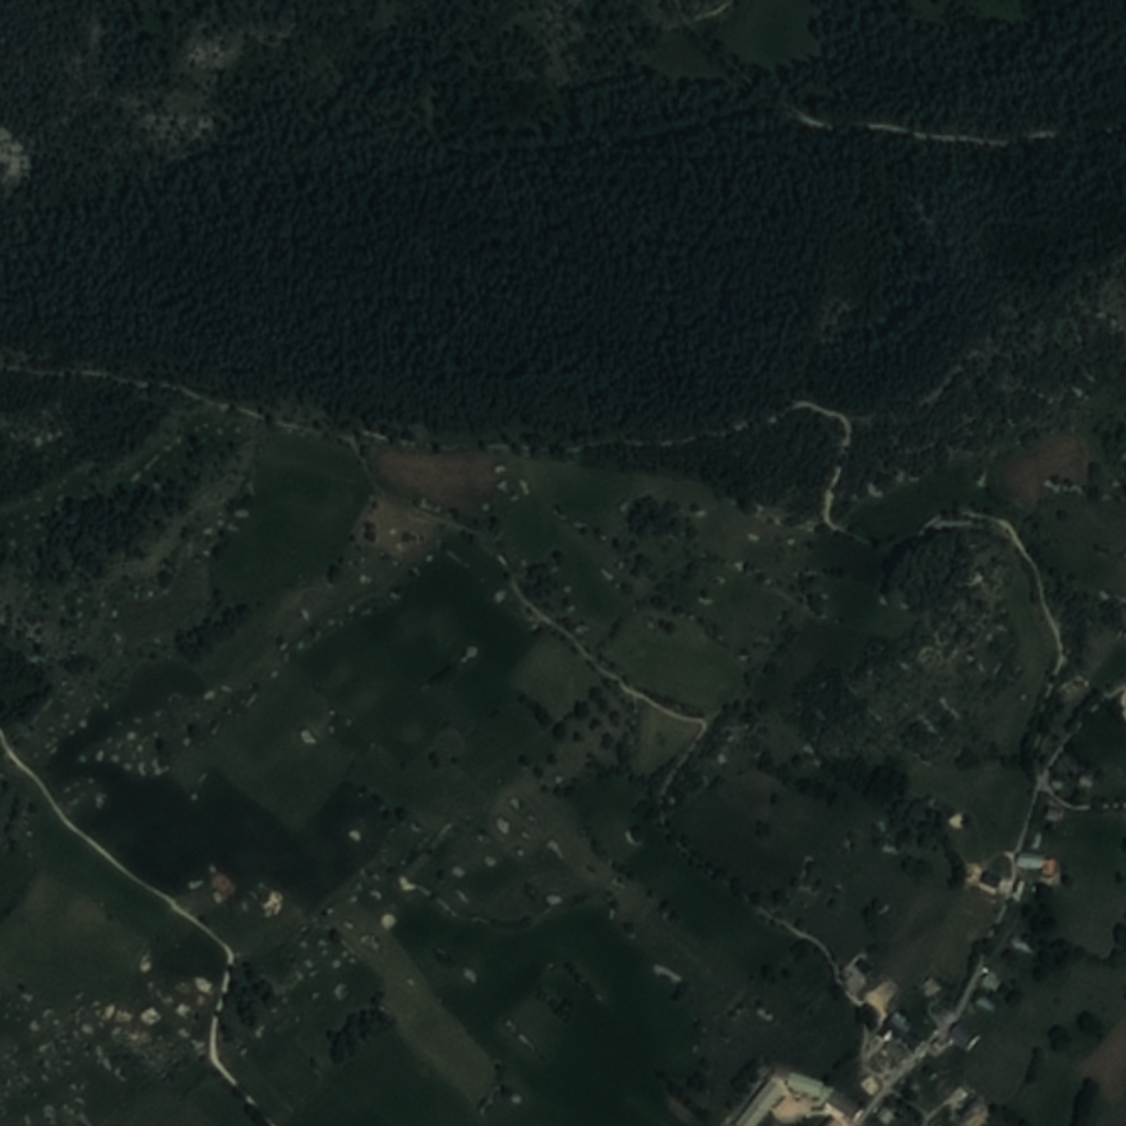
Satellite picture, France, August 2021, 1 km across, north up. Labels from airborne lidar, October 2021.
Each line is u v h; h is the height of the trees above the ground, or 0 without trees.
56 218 10
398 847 0
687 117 27
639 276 21
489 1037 0
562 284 14
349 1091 0
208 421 0
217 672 0
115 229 23
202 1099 0
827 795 9
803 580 9
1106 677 0
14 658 10
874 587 0
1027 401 9
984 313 13
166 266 25
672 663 0
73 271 17
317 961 0
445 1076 0
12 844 7
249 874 0
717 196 27
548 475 0
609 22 9
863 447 10
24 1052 0
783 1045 0
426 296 25
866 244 16
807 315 16
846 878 0
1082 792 7
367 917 0
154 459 0
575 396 23
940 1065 0
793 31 0
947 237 13
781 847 0
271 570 0
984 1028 0
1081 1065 0
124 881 0
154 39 26
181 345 16
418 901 0
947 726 11
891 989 0
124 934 0
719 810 0
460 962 0
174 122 8
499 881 0
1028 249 12
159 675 0
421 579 0
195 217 27
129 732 0
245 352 20
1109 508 0
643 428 12
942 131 27
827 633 0
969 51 13
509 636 0
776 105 10
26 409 9
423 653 0
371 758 0
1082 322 7
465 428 21
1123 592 0
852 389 22
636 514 10
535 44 11
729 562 0
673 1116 0
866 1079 0
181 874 0
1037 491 0
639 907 0
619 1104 0
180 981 0
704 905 0
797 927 8
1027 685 0
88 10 7
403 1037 0
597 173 27
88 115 9
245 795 0
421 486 0
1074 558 0
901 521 0
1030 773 6
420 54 28
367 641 0
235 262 27
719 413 17
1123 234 13
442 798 0
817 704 7
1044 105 19
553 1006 6
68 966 0
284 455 0
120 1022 0
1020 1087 0
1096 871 0
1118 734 0
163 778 0
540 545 0
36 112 8
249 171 18
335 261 20
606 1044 0
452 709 0
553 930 0
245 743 0
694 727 0
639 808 6
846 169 16
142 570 0
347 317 17
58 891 0
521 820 0
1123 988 0
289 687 0
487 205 27
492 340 24
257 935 0
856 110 14
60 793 0
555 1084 0
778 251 22
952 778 0
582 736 9
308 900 0
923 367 18
